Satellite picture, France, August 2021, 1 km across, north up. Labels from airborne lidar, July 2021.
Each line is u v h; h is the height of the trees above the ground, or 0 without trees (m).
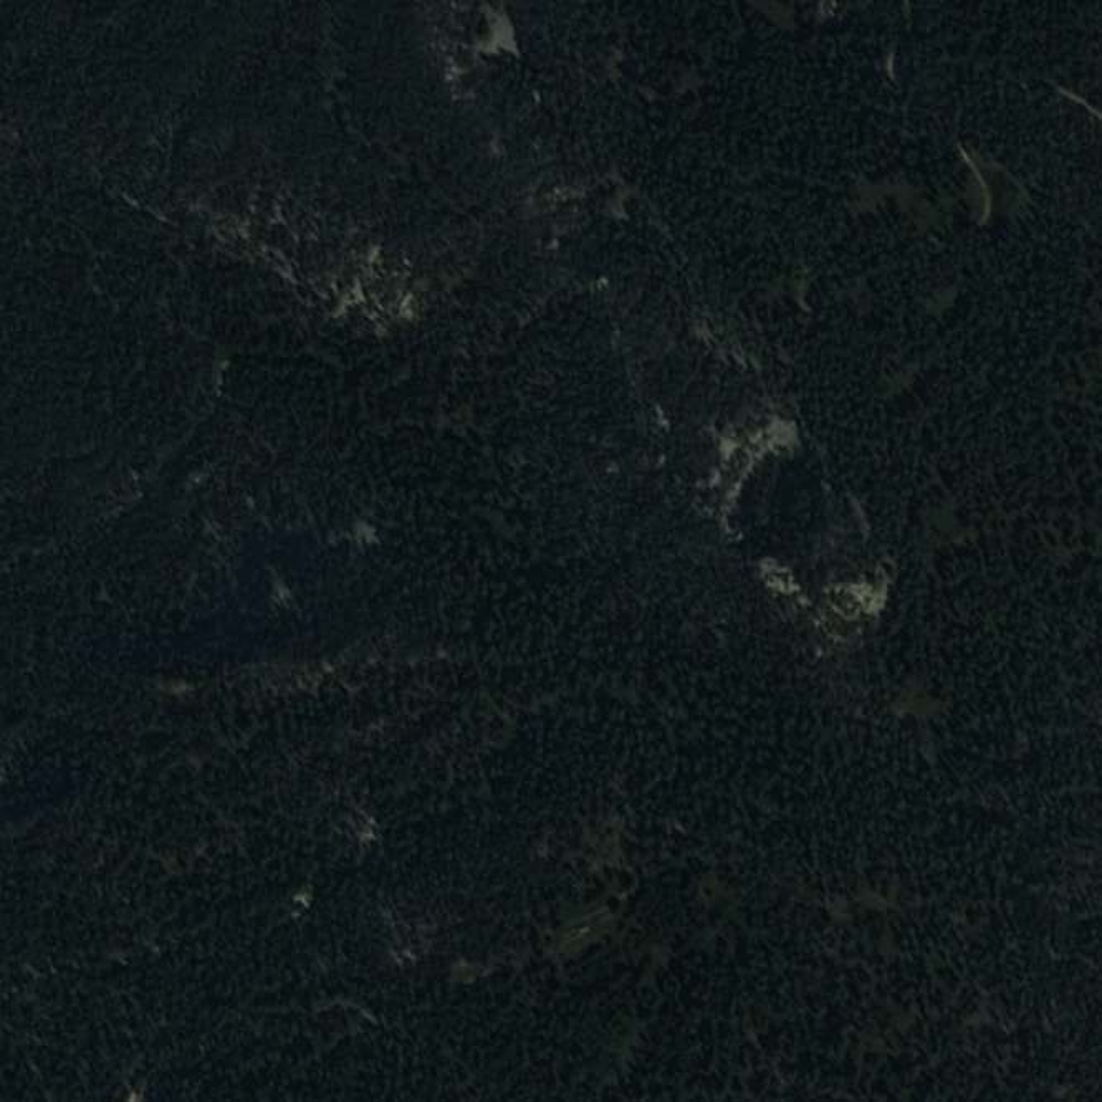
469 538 24
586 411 15
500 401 17
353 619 9
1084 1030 7
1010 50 21
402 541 16
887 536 13
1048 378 25
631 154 25
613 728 19
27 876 10
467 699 19
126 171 11
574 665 22
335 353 13
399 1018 17
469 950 14
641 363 11
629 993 9
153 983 17
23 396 12
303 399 13
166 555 12
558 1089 21
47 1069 8
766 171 22
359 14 10
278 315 13
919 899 22
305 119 13
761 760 32
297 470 14
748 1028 8
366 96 13
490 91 10
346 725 14
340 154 9
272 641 9
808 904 7
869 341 20
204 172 11
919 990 8
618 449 12
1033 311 9
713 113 14
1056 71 18
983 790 19
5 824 9
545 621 28
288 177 8
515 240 11
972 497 26
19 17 16
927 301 21
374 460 14
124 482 9
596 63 16
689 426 10
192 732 13
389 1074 19
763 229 18
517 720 27
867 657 8
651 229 8
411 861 10
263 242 14
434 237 11
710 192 20
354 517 13
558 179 13
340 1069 10
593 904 10
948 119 6
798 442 0
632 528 11
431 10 9
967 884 24
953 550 0
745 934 12
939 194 26
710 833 10
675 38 18
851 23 9
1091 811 16
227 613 7
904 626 29
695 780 7
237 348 16
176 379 14
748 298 23
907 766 19
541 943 20
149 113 11
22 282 13
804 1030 11
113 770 19
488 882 8
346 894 12
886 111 19
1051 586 18
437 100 10
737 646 15
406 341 16
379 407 10
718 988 14
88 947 12
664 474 7
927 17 13
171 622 14
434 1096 13
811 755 12
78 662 13
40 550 9
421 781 19
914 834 19
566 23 15
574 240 10
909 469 26
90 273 17
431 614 14
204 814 24
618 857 0
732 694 22
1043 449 21
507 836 7
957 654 7
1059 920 8
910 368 20
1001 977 10
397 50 10
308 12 13
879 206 0
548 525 10
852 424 15
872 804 27
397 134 12
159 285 16
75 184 12
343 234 10
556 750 14
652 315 10
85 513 13
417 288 7
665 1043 19
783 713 14
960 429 28
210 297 15
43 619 13
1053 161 10
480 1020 15
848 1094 11
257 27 12
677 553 16
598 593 12
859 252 26
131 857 20
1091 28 12
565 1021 11
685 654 17
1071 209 16
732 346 12
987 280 22
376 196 13
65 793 12
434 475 17
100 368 12
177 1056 20
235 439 13
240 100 12
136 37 8
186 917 11
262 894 11
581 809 12
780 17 0
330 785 13
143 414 11
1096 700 8
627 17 19
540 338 12
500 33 0
